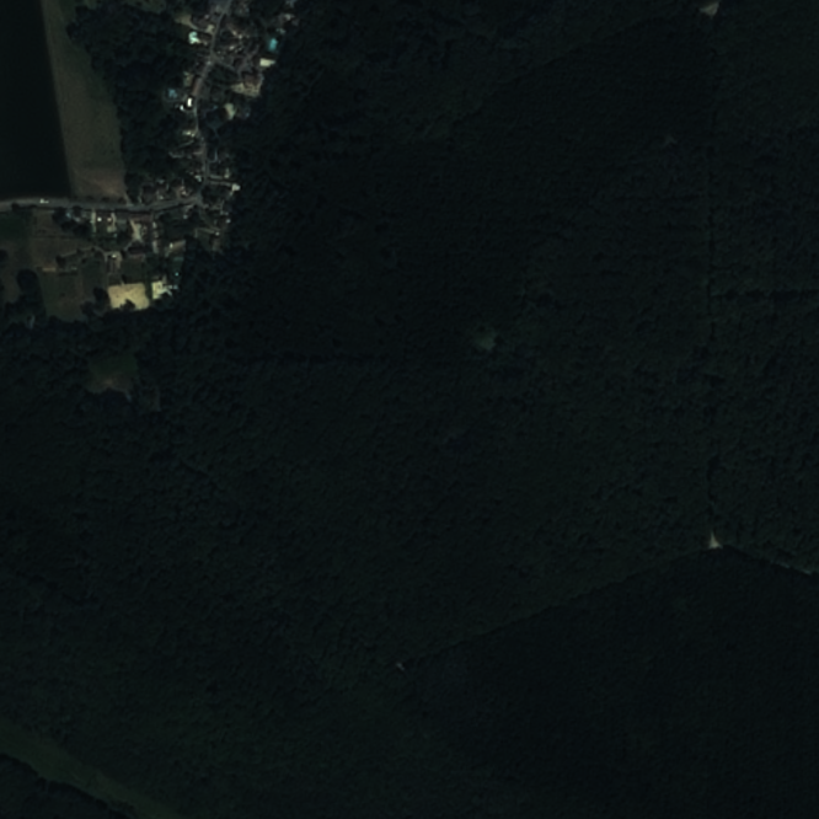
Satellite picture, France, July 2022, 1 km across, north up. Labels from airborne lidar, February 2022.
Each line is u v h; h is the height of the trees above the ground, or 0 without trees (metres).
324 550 17
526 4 9
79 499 21
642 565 22
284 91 24
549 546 26
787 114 21
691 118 16
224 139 18
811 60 21
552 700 14
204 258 25
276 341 8
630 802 22
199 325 25
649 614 22
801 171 23
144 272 7
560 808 19
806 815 14
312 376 23
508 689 13
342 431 23
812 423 22
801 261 27
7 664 16
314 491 22
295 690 24
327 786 16
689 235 26
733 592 21
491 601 22
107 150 0
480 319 15
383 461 20
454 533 25
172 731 16
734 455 24
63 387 25
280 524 21
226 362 23
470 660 14
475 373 23
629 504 25
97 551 21
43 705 12
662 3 19
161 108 20
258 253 17
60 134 0
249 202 20
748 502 25
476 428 30
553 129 16
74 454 24
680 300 27
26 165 0
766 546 23
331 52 25
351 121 25
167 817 0
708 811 16
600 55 12
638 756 17
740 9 19
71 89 0
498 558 24
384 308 6
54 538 7
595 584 19
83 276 0
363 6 12
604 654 20
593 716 19
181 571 23
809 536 24
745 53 21
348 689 18
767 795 14
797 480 25
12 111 0
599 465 25
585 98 15
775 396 24
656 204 22
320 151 8
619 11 23
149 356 16
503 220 15
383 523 22
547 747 14
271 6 18
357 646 18
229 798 19
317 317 6
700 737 19
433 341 17
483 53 23
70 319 0
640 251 25
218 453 24
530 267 15
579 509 26
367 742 20
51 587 21
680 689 22
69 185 0
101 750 21
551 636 17
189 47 10
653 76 13
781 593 21
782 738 18
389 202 15
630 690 19
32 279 20
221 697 22
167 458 26
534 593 23
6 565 23
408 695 22
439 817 19
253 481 23
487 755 15
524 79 15
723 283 22
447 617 18
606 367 27
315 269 7
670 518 24
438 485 23
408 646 18
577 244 24
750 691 20
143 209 0
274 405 20
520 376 27
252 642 25
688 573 19
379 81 21
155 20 13
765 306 25
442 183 13
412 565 18
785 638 20
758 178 26
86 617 24
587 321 24
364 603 19
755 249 26
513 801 18
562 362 26
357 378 22
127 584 22
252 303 10
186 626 24
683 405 9
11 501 8
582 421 25
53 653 15
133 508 23
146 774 20
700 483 27
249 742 18
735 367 25
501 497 21
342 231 25
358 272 6
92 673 14
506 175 14
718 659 19
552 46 19
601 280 24
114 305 0
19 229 0
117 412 28
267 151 20
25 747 0
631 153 12
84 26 19
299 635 24
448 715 14
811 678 21
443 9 7
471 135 15
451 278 15
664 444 27
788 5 22
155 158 27
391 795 18
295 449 19
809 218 26
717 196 23
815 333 23
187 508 26
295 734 20
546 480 27
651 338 26
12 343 21
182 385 26
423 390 18
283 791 15
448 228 17
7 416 24
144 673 23
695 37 11
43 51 0
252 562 26
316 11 22
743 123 21
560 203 14
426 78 24
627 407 27
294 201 9
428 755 19
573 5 23
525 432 26
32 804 26
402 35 17
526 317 18
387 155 16
